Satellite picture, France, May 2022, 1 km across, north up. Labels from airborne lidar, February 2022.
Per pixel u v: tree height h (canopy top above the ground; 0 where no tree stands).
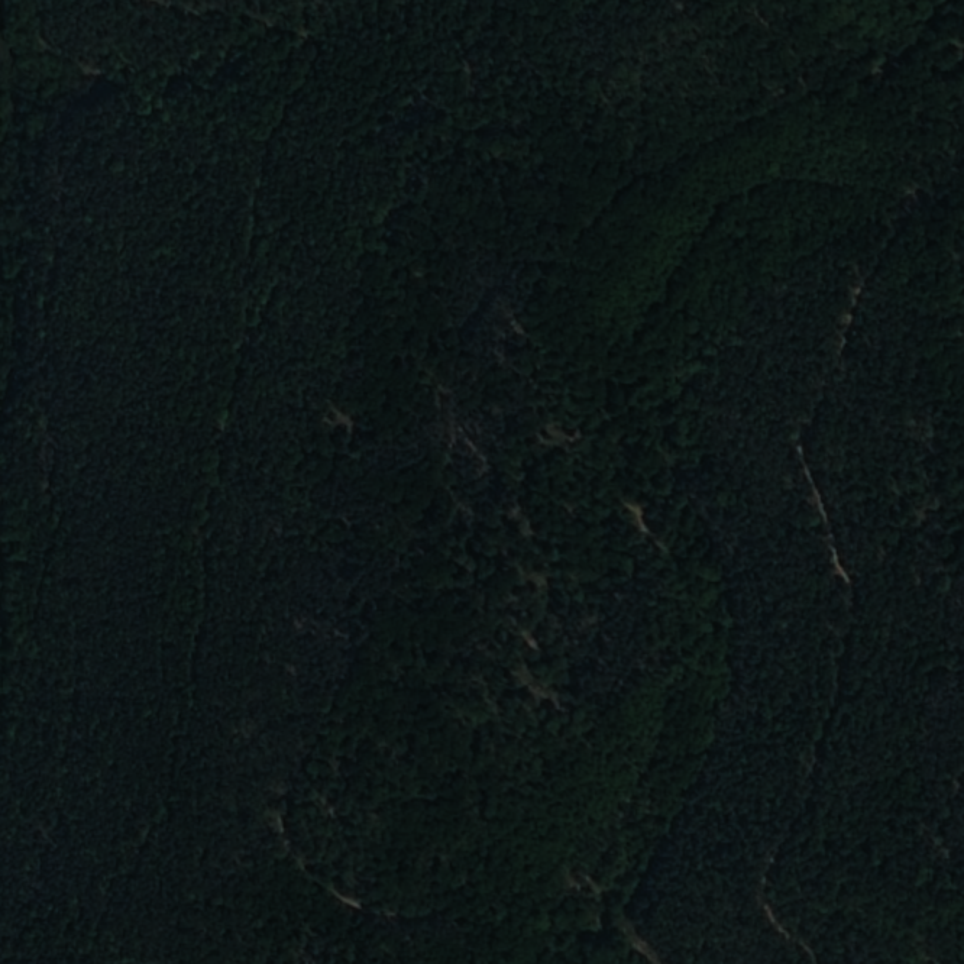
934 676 12
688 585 34
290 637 23
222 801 24
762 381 26
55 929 24
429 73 26
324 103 27
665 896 29
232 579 23
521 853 24
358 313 26
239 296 27
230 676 23
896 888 25
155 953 22
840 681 9
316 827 27
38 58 26
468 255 19
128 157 24
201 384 24
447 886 23
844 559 22
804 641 29
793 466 27
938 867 24
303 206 24
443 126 31
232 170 30
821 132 24
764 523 29
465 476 26
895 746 26
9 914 26
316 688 24
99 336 28
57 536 25
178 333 25
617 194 29
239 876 22
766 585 31
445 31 23
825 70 31
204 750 24
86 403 27
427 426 34
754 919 23
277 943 23
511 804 22
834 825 30
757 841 29
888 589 27
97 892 24
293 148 27
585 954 32
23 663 26
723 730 32
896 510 24
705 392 31
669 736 27
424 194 30
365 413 26
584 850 28
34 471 28
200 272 28
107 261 30
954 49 18
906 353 27
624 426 31
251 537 22
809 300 29
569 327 29
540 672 32
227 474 25
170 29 32
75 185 25
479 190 31
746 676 33
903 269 22
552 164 29
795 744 25
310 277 23
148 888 24
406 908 25
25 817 27
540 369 28
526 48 29
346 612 12
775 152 24
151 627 24
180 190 29
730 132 26
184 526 22
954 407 25
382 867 26
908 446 25
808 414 19
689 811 35
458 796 30
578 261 26
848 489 25
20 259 25
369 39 26
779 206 25
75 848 27
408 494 31
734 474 28
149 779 22
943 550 17
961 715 24
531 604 34
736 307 30
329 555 8
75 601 23
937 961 28
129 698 25
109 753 23
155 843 21
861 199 25
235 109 27
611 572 32
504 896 26
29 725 19
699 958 31
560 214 32
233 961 19
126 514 22
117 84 37
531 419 32
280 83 28
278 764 21
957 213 27
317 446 26
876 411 27
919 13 22
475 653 30
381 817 30
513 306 33
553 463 34
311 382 23
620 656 32
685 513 33
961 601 22
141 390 29
